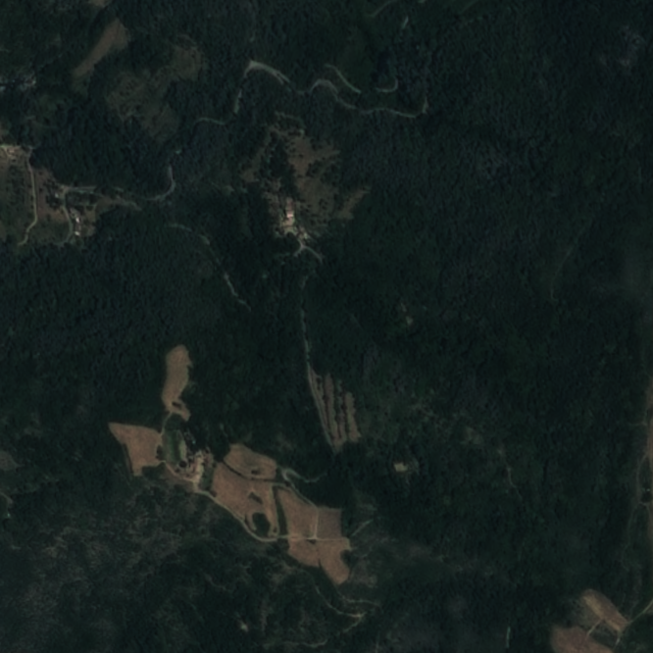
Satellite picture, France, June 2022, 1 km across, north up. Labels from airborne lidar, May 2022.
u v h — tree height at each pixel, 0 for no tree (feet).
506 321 47
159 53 47
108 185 43
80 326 110
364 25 21
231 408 27
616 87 46
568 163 46
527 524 34
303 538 0
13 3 33
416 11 21
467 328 18
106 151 77
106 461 24
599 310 48
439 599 28
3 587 22
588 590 0
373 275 28
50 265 67
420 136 48
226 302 35
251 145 37
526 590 34
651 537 0
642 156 24
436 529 32
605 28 41
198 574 34
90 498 23
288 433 22
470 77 56
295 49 71
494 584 20
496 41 54
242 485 0
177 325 43
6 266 74
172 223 42
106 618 20
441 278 28
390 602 23
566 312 44
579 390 37
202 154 62
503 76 71
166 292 45
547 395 35
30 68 31
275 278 27
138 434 0
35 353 57
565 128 62
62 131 39
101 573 34
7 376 25
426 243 38
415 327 29
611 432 23
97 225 40
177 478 0
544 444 34
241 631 31
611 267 22
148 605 40
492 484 31
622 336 35
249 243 61
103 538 22
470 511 22
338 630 28
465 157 54
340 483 30
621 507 23
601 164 47
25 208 0
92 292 64
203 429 28
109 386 33
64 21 31
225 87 61
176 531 24
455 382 24
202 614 32
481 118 59
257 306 38
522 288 24
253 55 52
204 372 39
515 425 22
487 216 46
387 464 28
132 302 61
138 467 0
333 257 22
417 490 41
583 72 63
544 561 23
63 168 31
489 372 45
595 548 25
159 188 36
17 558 30
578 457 40
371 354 44
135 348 47
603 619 0
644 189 40
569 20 44
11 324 53
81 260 65
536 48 33
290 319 39
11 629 34
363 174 43
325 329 27
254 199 38
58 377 32
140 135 33
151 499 21
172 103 33
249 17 39
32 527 26
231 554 22
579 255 26
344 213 0
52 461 48
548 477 45
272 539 0
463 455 31
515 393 49
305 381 24
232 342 35
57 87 40
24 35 29
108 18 30
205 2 35
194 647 25
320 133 43
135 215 51
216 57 26
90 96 28
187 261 36
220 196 48
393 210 34
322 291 27
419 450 93
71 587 28
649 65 29
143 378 39
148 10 23
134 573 35
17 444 25
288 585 26
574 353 21
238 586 35
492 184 63
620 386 40
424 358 35
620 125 49
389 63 100
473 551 24
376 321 51
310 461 22
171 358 0
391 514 33
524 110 54
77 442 29
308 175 20
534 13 61
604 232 42
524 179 44
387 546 0
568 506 30
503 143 26
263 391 31
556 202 38
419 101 22
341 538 0
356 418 20
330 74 46
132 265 54
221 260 36
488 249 55
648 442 0
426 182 63
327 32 47
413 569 0
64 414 35
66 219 0
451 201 53
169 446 0
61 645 35
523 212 44
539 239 38
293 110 41
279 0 56
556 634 0
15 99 36
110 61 43
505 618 24
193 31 37
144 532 21
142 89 0
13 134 29
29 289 58
